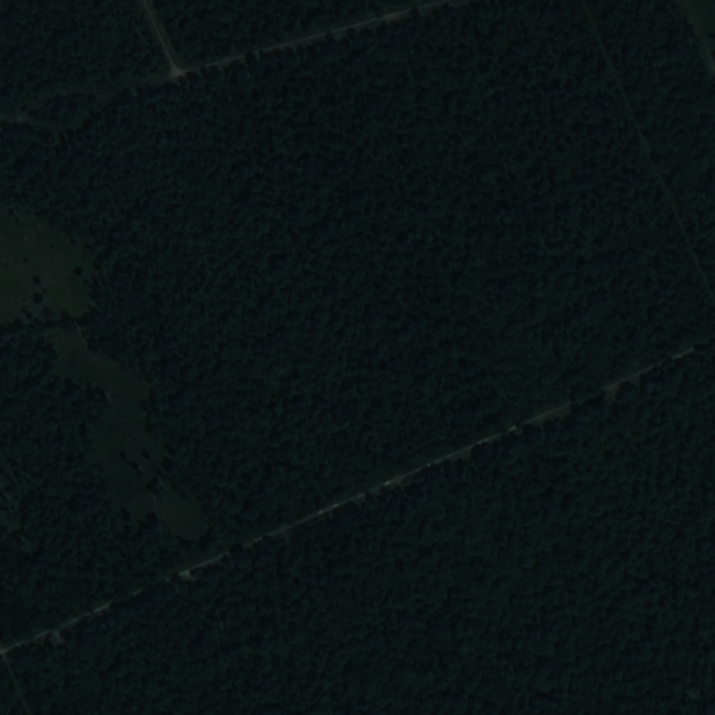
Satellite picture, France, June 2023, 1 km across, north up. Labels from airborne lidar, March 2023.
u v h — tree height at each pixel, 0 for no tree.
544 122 26
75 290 0
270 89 19
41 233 0
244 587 15
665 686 21
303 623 19
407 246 19
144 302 27
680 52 26
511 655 27
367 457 23
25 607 28
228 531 18
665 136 23
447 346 25
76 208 20
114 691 22
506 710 9
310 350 25
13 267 0
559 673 24
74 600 21
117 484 0
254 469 27
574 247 16
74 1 22
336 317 24
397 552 20
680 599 25
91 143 27
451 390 24
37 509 18
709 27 0
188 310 21
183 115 15
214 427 23
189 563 0
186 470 19
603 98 22
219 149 26
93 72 22
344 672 26
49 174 27
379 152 19
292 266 25
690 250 0
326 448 22
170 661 25
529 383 22
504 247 22
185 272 27
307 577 26
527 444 18
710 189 27
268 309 25
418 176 23
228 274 16
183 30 20
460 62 26
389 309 11
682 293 24
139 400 0
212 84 20
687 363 12
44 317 0
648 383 20
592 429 23
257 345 21
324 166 16
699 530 20
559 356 25
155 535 24
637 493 25
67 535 25
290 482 21
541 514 24
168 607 26
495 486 23
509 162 25
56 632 0
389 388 21
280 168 21
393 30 17
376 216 18
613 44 15
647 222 26
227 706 21
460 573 25
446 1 0
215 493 25
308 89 23
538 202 20
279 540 7
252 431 30
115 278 19
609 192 23
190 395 28
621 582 25
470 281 22
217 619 22
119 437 0
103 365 0
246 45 21
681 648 24
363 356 16
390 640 25
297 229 22
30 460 23
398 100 26
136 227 20
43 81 25
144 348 28
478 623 26
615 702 25
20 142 21
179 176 23
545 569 25
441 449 17
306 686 19
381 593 18
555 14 26
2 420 19
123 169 28
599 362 21
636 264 25
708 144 24
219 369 29
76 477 18
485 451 18
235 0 9
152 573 23
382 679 21
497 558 23
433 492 25
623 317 23
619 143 22
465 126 22
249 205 25
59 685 23
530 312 22
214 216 20
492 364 19
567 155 26
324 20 18
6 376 23
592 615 21
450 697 23
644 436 12
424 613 22
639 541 22
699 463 16
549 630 26
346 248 18
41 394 24
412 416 22
